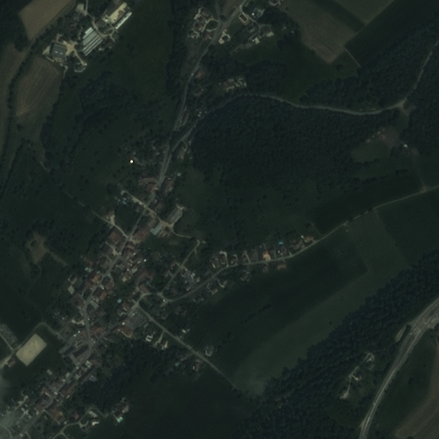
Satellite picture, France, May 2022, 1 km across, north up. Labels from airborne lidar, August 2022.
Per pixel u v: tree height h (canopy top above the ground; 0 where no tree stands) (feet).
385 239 0
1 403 0
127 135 0
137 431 0
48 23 0
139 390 0
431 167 0
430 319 0
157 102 42
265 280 0
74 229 0
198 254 0
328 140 64
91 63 0
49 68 0
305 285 0
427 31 77
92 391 82
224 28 0
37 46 27
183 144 20
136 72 0
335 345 94
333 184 52
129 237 0
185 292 23
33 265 33
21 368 0
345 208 0
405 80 65
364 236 0
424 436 0
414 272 32
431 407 0
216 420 0
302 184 59
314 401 76
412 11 0
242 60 0
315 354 69
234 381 0
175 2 63
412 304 71
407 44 70
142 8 0
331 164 60
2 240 25
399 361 0
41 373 18
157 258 0
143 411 0
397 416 0
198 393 0
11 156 0
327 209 0
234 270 30
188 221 0
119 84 0
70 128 0
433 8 0
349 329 89
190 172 0
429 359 0
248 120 59
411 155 0
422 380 0
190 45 0
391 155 29
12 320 0
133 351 64
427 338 0
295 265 0
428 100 63
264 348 0
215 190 0
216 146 63
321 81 0
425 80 51
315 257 0
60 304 20
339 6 0
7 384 0
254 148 49
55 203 0
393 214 0
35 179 47
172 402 0
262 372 0
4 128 0
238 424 0
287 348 0
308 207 0
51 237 34
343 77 0
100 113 81
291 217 0
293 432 94
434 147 50
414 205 0
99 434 0
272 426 95
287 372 71
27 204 0
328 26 0
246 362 0
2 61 0
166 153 0
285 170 63
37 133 0
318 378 56
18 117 0
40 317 0
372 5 0
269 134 62
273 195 0
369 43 0
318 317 0
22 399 0
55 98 0
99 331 0
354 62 0
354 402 0
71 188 0
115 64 0
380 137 0
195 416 0
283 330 0
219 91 0
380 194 0
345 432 83
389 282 0
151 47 0
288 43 69
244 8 33
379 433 51
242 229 30
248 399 50
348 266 0
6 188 24
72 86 45
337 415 0
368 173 0
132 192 34
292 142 61
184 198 0
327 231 0
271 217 0
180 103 42
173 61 43
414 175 0
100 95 78
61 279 0
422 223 0
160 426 0
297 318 0
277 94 36
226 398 0
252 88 65
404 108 0
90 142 0
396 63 57
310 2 0
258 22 36
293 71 0
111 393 92
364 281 0
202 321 0
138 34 0
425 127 51
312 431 67
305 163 65
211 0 64
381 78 67
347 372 44
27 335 0
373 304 64
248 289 0
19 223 0
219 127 64
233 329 0
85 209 28
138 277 0
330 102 79
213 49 49
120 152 30
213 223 23
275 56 0
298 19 0
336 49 0
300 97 0
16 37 48
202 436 0
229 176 52
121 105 69
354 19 0
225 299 0
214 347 20
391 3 0
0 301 0
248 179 62
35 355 0
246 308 0
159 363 36
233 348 0
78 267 36
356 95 39
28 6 0
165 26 0
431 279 79
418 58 50
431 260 50
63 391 0
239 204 21
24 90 0
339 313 0
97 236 29
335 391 57
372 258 0
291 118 68
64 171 52
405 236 0
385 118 50
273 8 47
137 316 0
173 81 67
